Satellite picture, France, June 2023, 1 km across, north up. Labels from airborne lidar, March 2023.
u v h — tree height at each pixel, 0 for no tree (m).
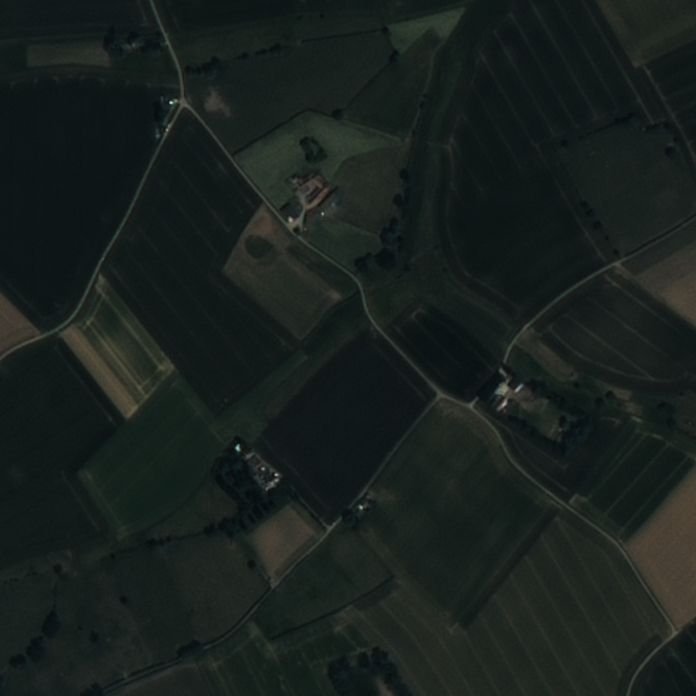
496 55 0
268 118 0
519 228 0
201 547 0
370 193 0
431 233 0
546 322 0
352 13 0
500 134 0
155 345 0
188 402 0
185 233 0
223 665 0
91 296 0
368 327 0
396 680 30
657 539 0
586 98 0
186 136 0
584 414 8
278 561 0
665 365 0
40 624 0
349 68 0
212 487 0
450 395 0
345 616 0
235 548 0
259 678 0
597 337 0
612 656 0
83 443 0
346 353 0
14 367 0
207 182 0
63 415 0
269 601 0
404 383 0
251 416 0
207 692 0
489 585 0
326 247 0
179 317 0
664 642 0
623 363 0
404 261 0
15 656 0
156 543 11
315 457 0
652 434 0
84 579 0
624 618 0
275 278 0
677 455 0
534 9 0
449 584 0
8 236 0
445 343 0
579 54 0
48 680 0
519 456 0
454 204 0
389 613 0
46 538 0
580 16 0
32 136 0
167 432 0
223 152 0
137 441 0
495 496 0
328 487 0
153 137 0
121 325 0
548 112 0
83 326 0
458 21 0
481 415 0
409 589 0
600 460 0
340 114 7
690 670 0
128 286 0
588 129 0
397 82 0
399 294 0
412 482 0
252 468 0
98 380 0
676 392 0
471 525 0
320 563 0
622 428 0
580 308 0
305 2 0
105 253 0
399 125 0
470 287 0
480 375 0
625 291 0
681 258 0
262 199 0
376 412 0
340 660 0
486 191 0
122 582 0
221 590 0
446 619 0
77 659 0
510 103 0
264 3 0
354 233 0
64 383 0
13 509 0
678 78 0
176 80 0
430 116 0
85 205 0
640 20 0
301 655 0
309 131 0
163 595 0
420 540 0
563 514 0
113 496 0
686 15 0
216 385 0
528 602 0
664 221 0
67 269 0
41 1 0
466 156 0
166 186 0
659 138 0
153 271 0
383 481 0
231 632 0
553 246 0
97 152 0
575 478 0
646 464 0
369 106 0
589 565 0
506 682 0
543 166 0
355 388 0
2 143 0
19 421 0
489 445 0
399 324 0
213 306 0
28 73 0
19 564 0
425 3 0
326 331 0
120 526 0
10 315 0
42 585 0
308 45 0
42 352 0
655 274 0
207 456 0
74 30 0
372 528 0
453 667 0
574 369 0
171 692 0
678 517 0
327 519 0
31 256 0
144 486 0
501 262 0
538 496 0
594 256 0
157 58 0
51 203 0
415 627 0
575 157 0
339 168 0
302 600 0
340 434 0
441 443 0
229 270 0
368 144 0
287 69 0
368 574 0
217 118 0
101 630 0
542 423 0
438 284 0
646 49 0
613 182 0
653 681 0
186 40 0
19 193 0
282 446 0
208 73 16
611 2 0
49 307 0
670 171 0
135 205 0
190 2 0
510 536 0
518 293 0
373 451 0
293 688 0
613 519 0
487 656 0
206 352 0
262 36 0
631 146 0
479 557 0
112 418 0
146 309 0
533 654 0
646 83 0
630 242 0
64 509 0
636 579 0
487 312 0
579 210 0
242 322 0
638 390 0
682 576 0
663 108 0
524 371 0
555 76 0
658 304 0
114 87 0
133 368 0
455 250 0
